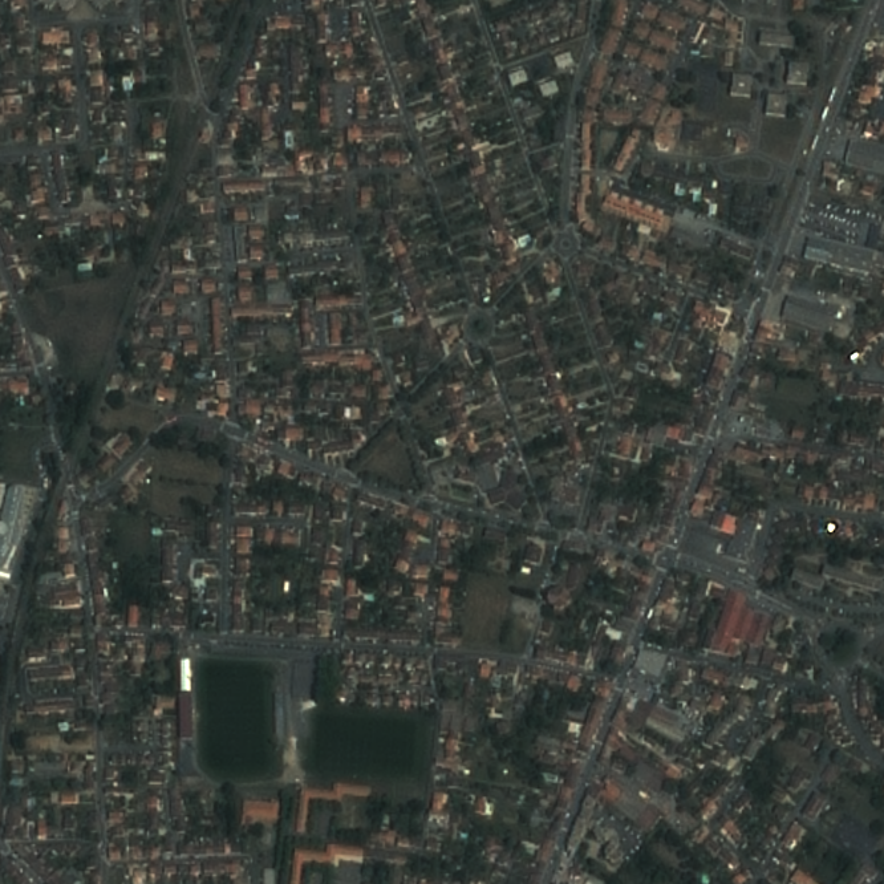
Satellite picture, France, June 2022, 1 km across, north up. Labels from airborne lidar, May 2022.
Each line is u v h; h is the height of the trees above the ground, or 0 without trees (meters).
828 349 7
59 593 0
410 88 8
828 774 0
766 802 6
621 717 0
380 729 0
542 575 0
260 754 0
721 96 0
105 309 0
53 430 0
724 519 0
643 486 6
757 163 0
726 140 0
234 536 0
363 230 11
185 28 0
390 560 6
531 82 9
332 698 18
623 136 5
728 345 0
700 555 0
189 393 0
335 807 15
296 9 0
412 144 7
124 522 0
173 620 0
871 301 6
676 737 0
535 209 6
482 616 0
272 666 0
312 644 0
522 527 10
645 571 0
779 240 0
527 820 6
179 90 0
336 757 0
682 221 0
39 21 0
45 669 0
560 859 0
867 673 11
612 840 0
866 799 0
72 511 0
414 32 8
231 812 10
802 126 0
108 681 0
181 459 0
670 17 0
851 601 7
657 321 0
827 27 0
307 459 0
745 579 0
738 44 0
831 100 0
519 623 0
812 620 0
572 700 6
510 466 8
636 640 0
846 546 6
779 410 0
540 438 12
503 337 0
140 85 10
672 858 0
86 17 0
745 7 0
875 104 8
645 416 5
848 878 11
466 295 7
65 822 0
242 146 10
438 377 9
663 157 0
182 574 0
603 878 6
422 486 9
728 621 0
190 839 6
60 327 0
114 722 10
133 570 8
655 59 0
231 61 7
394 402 11
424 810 8
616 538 7
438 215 10
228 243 0
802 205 0
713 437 0
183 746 0
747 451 0
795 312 0
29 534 0
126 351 8
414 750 0
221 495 8
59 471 12
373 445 11
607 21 9
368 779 0
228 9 12
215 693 0
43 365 0
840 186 0
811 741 0
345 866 0
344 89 0
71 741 7
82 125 0
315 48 6
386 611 6
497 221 0
